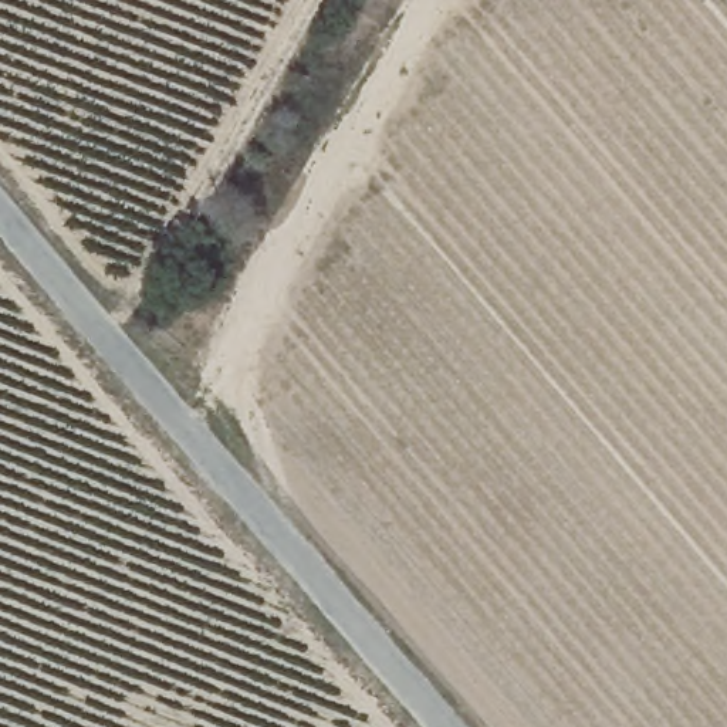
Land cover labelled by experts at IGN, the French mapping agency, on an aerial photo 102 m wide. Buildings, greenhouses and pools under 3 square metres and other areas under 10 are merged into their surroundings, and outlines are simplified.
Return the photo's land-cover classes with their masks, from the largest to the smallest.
<instances>
[{"label":"plowed land","instance_id":"1","mask_svg":"<svg viewBox=\"0 0 727 727\"><path fill-rule=\"evenodd\" d=\"M400 26L392 34V43L381 51L378 68L366 80L358 102L335 128H329L315 142L304 165V185L298 199L253 250L244 270L236 275L230 301L222 304L219 318L224 321V327L207 344L202 383L210 386L224 400V406L233 409L250 440L253 454L273 471L281 494L304 511V517L327 540V545L349 568V574L369 591L375 602L386 608V613L398 622L400 633L412 642V647L446 679V684L469 704V710L486 727H727V0H403L398 9ZM26 148L0 142V162L11 170L20 190L43 213L45 224L65 241L77 261L102 287L133 295L142 293L145 273L133 267L128 275H111L105 270V256L88 253L82 247L85 230H71L65 224L68 210H60L54 204V193L37 185L40 170L23 165ZM20 278L0 264V295L11 298L20 307V318L34 324L37 341L54 346L60 352V364L74 372L77 386L91 392L94 406L111 415V432L125 434L131 443V454H139L145 460L139 474L165 480L168 500L185 505L187 523L199 525V540L224 551V562L236 568L241 576H247V591L264 596L267 602H278L275 579L258 571L256 557L236 545L227 537V531L219 528L207 505L179 480L173 463L153 446L151 437H145L133 426V420L119 409V403L99 386L97 375L85 366V361L57 332L48 315H43L17 287ZM281 633L301 639L307 645V659L324 667V682L338 684L341 701L366 713L369 727H398L378 707V701L349 676V670L335 662V653L321 642L318 633H312V628L304 619H298L295 613H284Z\"/></svg>","mask_w":727,"mask_h":727},{"label":"vineyard","instance_id":"2","mask_svg":"<svg viewBox=\"0 0 727 727\"><path fill-rule=\"evenodd\" d=\"M321 0H0V142L26 148L23 165L40 170L37 185L54 193V204L60 210H68L65 224L71 230H85L82 247L88 253L105 256V270L111 275H128L133 267L145 273L153 250H168L176 239L193 236L202 224L210 222L204 213H187V202L210 196L224 182V173L236 156L253 136L261 111L278 94L290 60L298 54L304 43ZM111 415L94 406L91 392L77 386L74 372L60 364V352L54 346L37 341L34 324L20 318V307L11 298L0 295V727H369L366 713L341 701L338 684L324 682V667L307 659V645L301 639L281 633L284 613L278 602H267L264 596L247 591V576H241L236 568L224 562V551L199 540V525L187 523L185 505L168 500L165 480L139 474L145 460L139 454H131V443L125 434L111 432Z\"/></svg>","mask_w":727,"mask_h":727},{"label":"herbaceous vegetation","instance_id":"3","mask_svg":"<svg viewBox=\"0 0 727 727\"><path fill-rule=\"evenodd\" d=\"M403 0H366L352 31L344 40H332L327 51L310 48L304 43L298 54L290 60L278 94L261 111L253 136L236 156L244 162L247 170H256L261 176L267 204L253 207L247 196H241L236 187L224 182L210 196L187 202V213H204L210 222L233 247L239 241H247L253 250L298 199L304 185V165L315 142L329 128H335L358 102L366 80L378 68L381 51L392 43V34L400 26L398 9ZM0 187L23 210L34 230L54 247V253L68 264V270L85 284V290L108 312L119 310L128 315V338L168 378L176 395L190 409L204 415L219 443L258 483L256 488L261 491V497H270L275 508L287 514V520L321 554V559L358 599V605L386 630L392 645L423 673V679L434 687V693L454 710V716L466 727H486L469 710V704L446 684V679L412 647V642L400 633L398 622L386 613V608L375 602L369 591L349 574V568L327 545V540L304 517V511L281 494L273 471L253 454L250 440L233 409L224 406V400L210 386L202 383L207 344L224 327V321L219 318L222 304L196 312H182L170 327L151 329L133 318L142 293L133 295L102 287L77 261L65 241L45 224L43 213L20 190L11 170L0 162ZM0 264L20 278L17 287L43 315H48L57 332L85 361V366L97 375L99 386L119 403V409L133 420V426L145 437H151L153 446L173 463L179 480L207 505L219 528L227 531V537L236 545L256 557L258 571L275 579L278 602L284 613H295L298 619H304L312 628V633H318L321 642L335 653V662L349 670V676L378 701V707L398 727H420L412 718V713L389 693V687L372 673V667L352 650V645L332 628V622L318 611V605L301 591V585L284 571V565L258 542L247 523L239 520V514L196 474L187 454L133 400L122 381L108 369V361L99 358L88 341L77 335V329L48 298V293L0 239Z\"/></svg>","mask_w":727,"mask_h":727},{"label":"impervious surface","instance_id":"4","mask_svg":"<svg viewBox=\"0 0 727 727\"><path fill-rule=\"evenodd\" d=\"M0 239L48 293V298L77 329V335L88 341L99 358L108 361V369L122 381L133 400L187 454L196 474L239 514V520L247 523L258 542L284 565V571L301 585V591L318 605V611L332 622V628L352 645V650L372 667V673L389 687V693L412 713V718L420 727H466L454 716V710L434 693V687L423 679V673L392 645L386 630L358 605V599L321 559V554L287 520V514L275 508L270 497H261V491L256 488L258 483L219 443L204 415L190 409L176 395L168 378L128 338V315L119 310L108 312L85 290V284L68 270V264L54 253V247L34 230L23 210L0 187Z\"/></svg>","mask_w":727,"mask_h":727},{"label":"deciduous trees","instance_id":"5","mask_svg":"<svg viewBox=\"0 0 727 727\"><path fill-rule=\"evenodd\" d=\"M224 182L236 187L241 196H247L253 207L267 204L261 176L256 170H247L244 162L236 156L224 173ZM253 250L247 241H239L233 247L210 222L202 224L193 236L176 239L168 250H153L145 273L142 293L133 318L151 329L170 327L182 312H196L222 304L230 301L236 275L244 270Z\"/></svg>","mask_w":727,"mask_h":727},{"label":"brushwood","instance_id":"6","mask_svg":"<svg viewBox=\"0 0 727 727\"><path fill-rule=\"evenodd\" d=\"M366 0H321L304 43L310 48L327 51L332 40H344L352 31Z\"/></svg>","mask_w":727,"mask_h":727}]
</instances>
